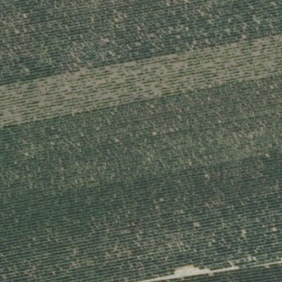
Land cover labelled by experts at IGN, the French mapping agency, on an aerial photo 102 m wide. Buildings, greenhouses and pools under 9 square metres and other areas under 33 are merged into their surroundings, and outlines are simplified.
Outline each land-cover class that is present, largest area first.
<instances>
[{"label":"vineyard","instance_id":"1","mask_svg":"<svg viewBox=\"0 0 282 282\"><path fill-rule=\"evenodd\" d=\"M0 282H282V0H0Z\"/></svg>","mask_w":282,"mask_h":282}]
</instances>
